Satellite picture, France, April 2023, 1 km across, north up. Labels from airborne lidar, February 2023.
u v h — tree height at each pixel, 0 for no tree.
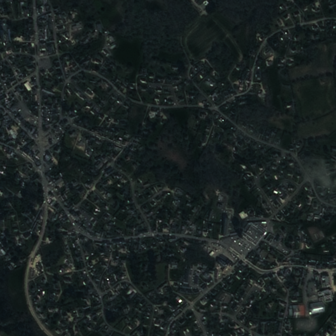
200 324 0
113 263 0
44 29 0
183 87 11
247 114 11
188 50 0
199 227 0
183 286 0
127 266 0
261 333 15
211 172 20
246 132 0
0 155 0
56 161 0
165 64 14
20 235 9
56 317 12
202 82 0
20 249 18
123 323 0
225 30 0
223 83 9
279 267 0
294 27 0
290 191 0
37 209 0
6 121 0
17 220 0
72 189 18
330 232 0
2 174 8
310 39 6
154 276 22
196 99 6
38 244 0
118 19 0
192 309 0
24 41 0
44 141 0
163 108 0
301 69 0
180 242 7
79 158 9
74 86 0
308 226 0
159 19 13
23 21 6
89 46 7
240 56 0
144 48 14
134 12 8
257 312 13
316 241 0
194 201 10
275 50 8
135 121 0
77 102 0
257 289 0
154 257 24
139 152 9
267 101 6
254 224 0
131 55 0
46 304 7
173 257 10
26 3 0
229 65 7
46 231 8
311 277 0
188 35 0
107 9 0
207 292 0
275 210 0
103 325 0
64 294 10
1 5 6
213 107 0
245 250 0
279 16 12
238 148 9
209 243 0
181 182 14
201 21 0
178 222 0
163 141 11
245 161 7
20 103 0
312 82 0
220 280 0
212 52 6
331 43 6
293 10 0
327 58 0
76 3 8
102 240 0
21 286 0
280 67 8
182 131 6
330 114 0
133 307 6
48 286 11
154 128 18
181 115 0
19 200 9
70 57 12
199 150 0
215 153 14
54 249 0
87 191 0
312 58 13
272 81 0
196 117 7
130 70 14
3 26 0
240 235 17
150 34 18
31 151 0
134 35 14
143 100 11
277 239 0
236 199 7
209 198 0
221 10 13
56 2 0
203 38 0
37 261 0
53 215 8
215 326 9
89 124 16
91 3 14
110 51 0
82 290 9
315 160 7
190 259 17
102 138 0
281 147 0
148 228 0
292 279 12
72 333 15
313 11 0
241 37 0
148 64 9
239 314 0
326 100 0
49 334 0
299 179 0
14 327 6
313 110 0
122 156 0
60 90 0
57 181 0
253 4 24
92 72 0
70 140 0
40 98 0
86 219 0
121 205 7
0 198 0
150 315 0
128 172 0
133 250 9
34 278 0
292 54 0
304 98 0
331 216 7
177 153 0
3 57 0
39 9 0
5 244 20
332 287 0
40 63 0
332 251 0
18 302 0
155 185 0
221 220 0
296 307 0
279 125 0
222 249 0
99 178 0
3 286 0
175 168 12
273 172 10
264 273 0
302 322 0
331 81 0
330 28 7
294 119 7
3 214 17
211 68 6
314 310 0
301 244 0
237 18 19
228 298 0
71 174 0
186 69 7
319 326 0
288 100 0
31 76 0
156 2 0
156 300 6
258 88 0
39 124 0
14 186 11
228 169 11
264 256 0
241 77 7
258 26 17
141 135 6
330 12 10
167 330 0
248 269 7
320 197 11
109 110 7
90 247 16
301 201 0
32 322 9
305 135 0
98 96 7
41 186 8
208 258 14
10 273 10
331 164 0
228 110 6
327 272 0
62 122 6
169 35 14
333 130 0
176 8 22
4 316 13
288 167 6
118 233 9
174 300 0
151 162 16
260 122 7
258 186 0
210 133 0
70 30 0
